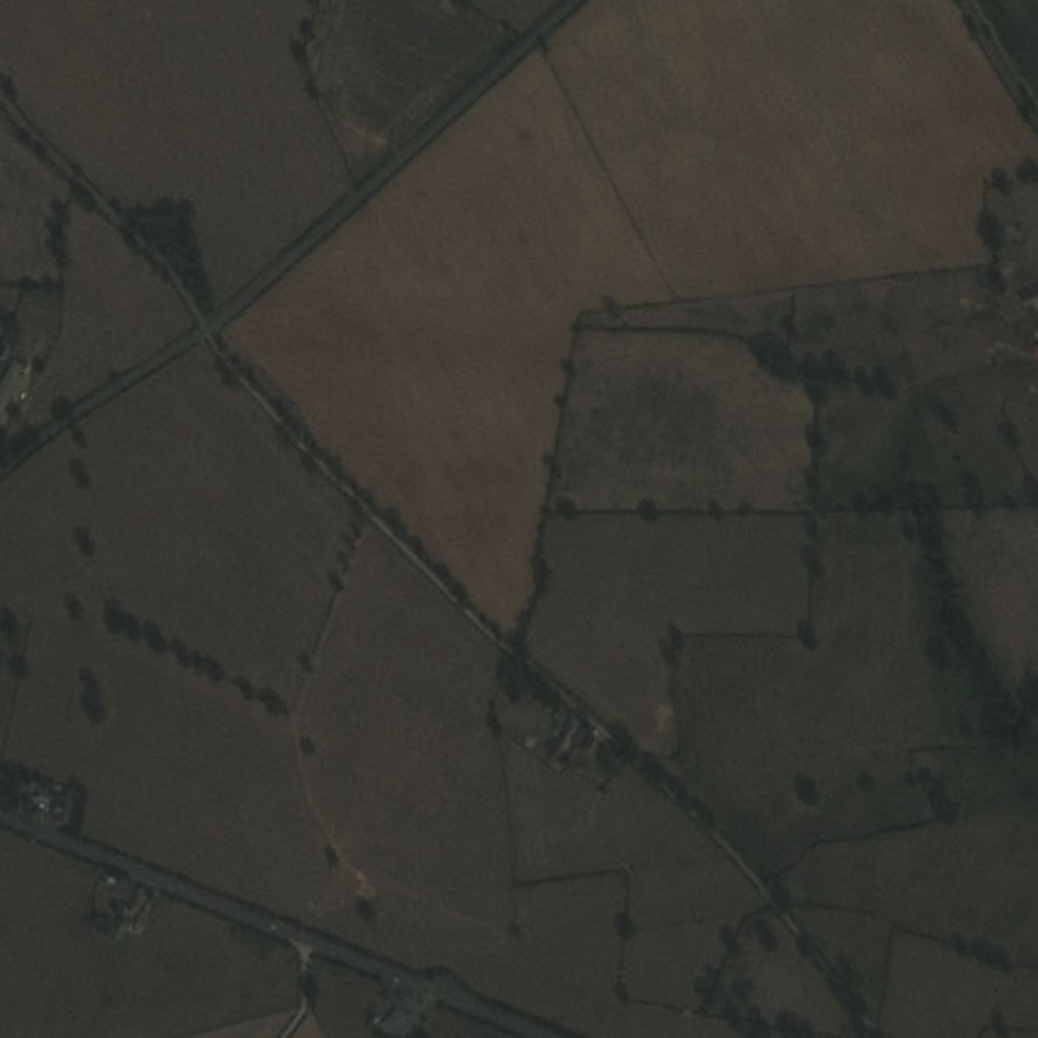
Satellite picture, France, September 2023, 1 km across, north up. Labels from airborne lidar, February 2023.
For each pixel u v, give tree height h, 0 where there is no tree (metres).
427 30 0
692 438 0
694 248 0
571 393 0
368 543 0
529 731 0
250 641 0
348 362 0
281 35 0
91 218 0
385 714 0
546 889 0
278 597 0
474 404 0
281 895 0
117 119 0
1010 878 0
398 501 0
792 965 0
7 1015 0
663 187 0
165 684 0
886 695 0
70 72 0
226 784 0
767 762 0
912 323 0
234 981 0
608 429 0
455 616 0
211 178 0
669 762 0
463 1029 0
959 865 0
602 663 0
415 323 0
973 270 0
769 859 0
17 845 0
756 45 0
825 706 0
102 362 0
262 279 0
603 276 0
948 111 0
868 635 0
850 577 0
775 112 0
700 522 0
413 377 0
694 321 0
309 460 14
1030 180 11
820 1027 0
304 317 0
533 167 0
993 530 0
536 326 0
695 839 0
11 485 0
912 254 0
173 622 0
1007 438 16
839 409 0
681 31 0
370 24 0
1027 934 0
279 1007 0
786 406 0
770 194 0
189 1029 0
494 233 0
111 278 0
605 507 0
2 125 0
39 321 0
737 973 0
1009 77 0
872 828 0
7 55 0
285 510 0
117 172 0
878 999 0
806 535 12
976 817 0
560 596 0
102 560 0
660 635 0
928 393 0
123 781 0
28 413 0
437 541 0
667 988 0
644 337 0
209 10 0
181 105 0
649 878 0
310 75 0
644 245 0
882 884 0
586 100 0
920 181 0
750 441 0
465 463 0
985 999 0
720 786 0
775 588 0
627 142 0
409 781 0
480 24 0
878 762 0
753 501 0
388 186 0
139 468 0
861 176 0
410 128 0
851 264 0
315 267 0
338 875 0
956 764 0
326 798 0
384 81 0
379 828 0
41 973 0
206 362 0
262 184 0
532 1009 0
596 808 0
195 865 0
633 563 0
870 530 0
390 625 0
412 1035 7
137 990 0
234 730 0
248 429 0
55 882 0
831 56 0
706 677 0
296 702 0
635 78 0
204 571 0
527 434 0
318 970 0
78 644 0
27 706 0
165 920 0
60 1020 0
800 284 0
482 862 0
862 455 0
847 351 0
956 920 0
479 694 0
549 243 0
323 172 0
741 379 0
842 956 0
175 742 0
